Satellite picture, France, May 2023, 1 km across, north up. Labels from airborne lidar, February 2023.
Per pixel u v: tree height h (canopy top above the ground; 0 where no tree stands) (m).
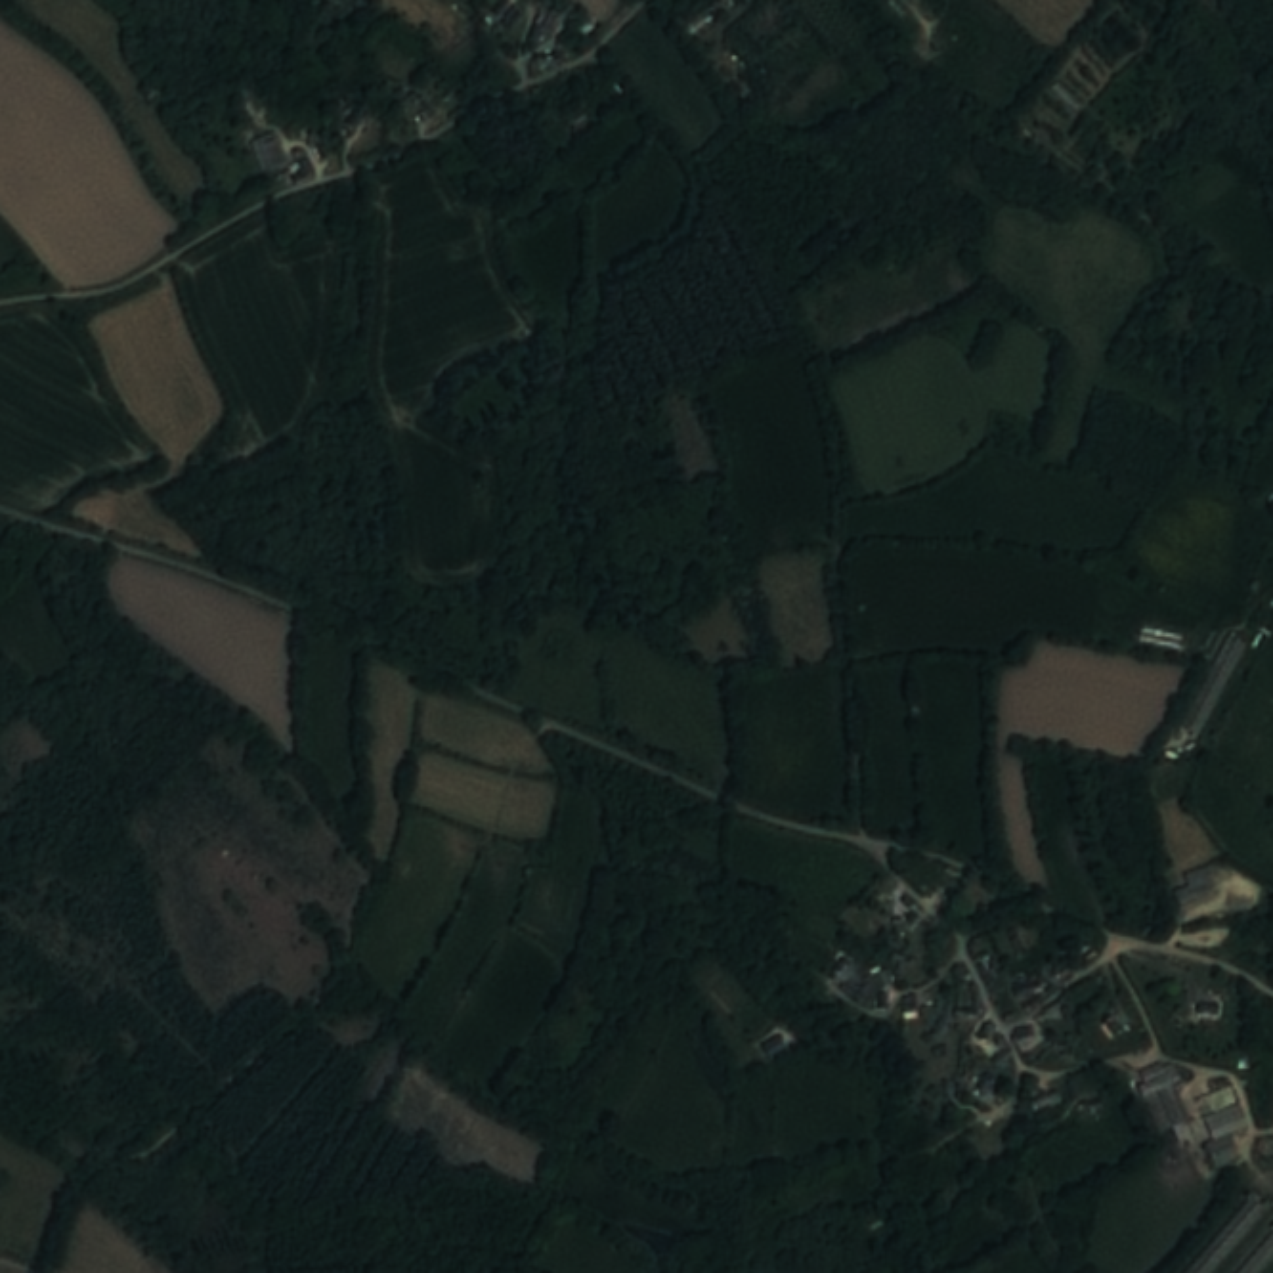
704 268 23
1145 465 15
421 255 0
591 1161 16
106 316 0
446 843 0
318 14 8
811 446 0
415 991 13
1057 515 0
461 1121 0
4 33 0
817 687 0
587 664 0
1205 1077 0
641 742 16
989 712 13
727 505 11
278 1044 10
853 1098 0
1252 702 0
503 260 7
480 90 7
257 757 12
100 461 0
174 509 11
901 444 0
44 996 9
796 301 11
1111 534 0
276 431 0
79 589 10
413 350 0
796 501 0
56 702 12
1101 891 8
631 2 10
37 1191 0
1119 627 0
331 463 10
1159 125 8
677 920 8
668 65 0
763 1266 9
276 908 0
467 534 0
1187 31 7
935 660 7
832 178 10
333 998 11
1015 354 0
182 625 0
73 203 0
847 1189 0
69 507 7
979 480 0
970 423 0
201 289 0
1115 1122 0
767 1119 0
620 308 24
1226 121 10
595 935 11
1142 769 14
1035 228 0
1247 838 0
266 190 15
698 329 23
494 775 0
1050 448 13
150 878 7
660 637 15
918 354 0
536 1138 18
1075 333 0
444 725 0
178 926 0
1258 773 0
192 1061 12
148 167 14
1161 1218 0
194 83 9
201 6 7
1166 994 7
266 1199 9
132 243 0
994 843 12
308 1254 12
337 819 13
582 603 7
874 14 9
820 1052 6
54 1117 10
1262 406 9
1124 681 0
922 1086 7
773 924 14
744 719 9
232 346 0
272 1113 10
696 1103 0
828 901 0
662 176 0
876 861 0
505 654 7
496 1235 14
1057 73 6
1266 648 0
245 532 11
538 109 10
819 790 0
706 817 8
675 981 10
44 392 0
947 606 0
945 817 0
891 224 13
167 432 0
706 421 10
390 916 0
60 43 12
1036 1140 12
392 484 19
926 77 13
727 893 12
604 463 20
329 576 10
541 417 9
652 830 9
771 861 0
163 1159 8
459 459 0
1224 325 15
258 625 0
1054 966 7
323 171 0
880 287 0
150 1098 14
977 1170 12
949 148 15
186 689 9
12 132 0
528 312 15
